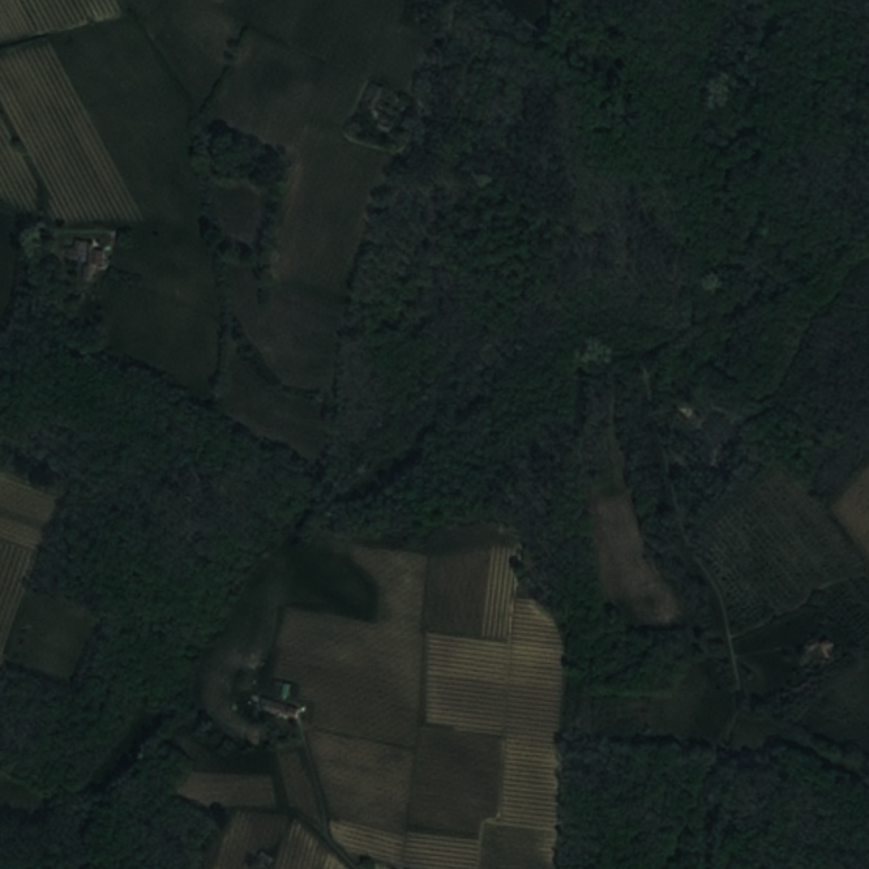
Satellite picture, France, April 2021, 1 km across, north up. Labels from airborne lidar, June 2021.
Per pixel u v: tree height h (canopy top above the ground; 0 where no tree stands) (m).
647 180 15
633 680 20
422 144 16
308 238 0
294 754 0
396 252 20
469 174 28
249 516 23
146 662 24
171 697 19
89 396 24
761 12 26
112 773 0
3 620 0
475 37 14
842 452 12
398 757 0
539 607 21
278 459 19
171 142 0
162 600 24
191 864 16
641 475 23
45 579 20
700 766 22
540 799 0
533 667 0
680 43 21
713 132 29
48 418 20
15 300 12
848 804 23
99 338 19
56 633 0
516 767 0
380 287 20
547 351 19
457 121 18
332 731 0
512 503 20
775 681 0
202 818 18
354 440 14
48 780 23
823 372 9
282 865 0
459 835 0
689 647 10
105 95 0
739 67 25
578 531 20
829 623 9
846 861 22
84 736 26
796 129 22
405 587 0
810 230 24
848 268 18
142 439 22
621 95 24
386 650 0
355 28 0
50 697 22
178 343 0
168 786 21
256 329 0
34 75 0
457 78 18
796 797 16
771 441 21
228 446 23
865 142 20
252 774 0
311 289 0
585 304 18
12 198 0
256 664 0
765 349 21
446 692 0
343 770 0
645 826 21
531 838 0
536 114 26
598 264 18
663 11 21
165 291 0
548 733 0
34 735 23
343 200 0
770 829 17
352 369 14
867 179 24
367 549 0
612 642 14
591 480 13
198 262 0
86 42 0
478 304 22
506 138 24
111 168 0
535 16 0
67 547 19
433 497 23
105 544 29
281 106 0
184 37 0
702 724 0
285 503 24
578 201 23
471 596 0
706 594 19
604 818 19
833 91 21
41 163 0
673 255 21
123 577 27
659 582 0
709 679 0
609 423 11
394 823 0
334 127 0
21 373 29
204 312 0
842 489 9
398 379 19
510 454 16
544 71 21
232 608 11
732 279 17
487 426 19
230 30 0
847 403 9
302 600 0
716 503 6
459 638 0
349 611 0
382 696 0
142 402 27
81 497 17
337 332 0
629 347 19
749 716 17
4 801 0
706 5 27
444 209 21
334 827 0
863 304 15
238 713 0
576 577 22
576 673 18
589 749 18
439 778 0
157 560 22
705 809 19
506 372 20
